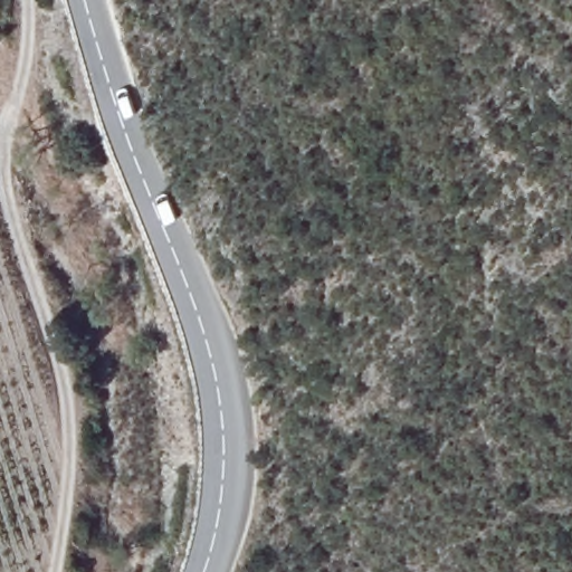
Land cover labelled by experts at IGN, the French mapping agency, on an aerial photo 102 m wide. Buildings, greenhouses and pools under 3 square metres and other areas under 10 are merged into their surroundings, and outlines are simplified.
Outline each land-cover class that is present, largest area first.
<instances>
[{"label":"brushwood","instance_id":"1","mask_svg":"<svg viewBox=\"0 0 572 572\"><path fill-rule=\"evenodd\" d=\"M116 11L121 13L125 49L139 74L132 87L141 94V107L134 114L141 116L145 145H154L168 172L165 194L172 192L181 208V217L190 219L197 237V248L210 264L212 277L221 288H228V293L239 302L237 315H241L248 324L246 333L237 340V346L246 351V355L241 358V364L248 369L250 375L246 380V387L248 393H252L255 407L268 402V411L261 416V422L273 429V436L266 442H261L257 451L248 454V463L255 465L261 474L259 492L264 512L261 521L255 527H250L246 543V561L241 568H237V572H572V0H114ZM471 103L480 107V118L489 130L487 136L474 139V123L467 116V105ZM489 143H494L498 150L516 154L512 163L498 165L507 172V177L503 179H496L494 174H487L483 170L480 147ZM527 206H534L545 215L536 219L534 235L530 241L532 252L530 257H525V264L538 261L541 252L559 248L561 241L568 244V259L559 261L536 284H512V275L505 268L498 270L494 282H485V244H516V239H521L525 232L523 226H516L507 235L498 232L496 228L505 221V215L516 219L525 212ZM369 364L378 369V375L391 382V398L387 407L378 409L375 413L360 416V420L364 422L360 431L342 433L335 427V422L328 420V407L335 402H346L349 407H353L358 398L366 393L364 371ZM56 78L65 94L76 98L72 69L67 60L63 56L51 58ZM40 112L47 118V127L54 132L58 170L72 179L89 174L96 183H105L107 156L103 145L96 127L89 123L67 121L65 114L58 109L51 89L40 92ZM163 527L152 523L143 525L139 530H132L130 534H116L109 518L101 516L98 505L89 507L87 512L74 514L67 541L65 572H94L96 561L89 554L94 547L103 552L121 550L127 559L132 556V547H143L150 552L161 541Z\"/></svg>","mask_w":572,"mask_h":572},{"label":"impervious surface","instance_id":"2","mask_svg":"<svg viewBox=\"0 0 572 572\"><path fill-rule=\"evenodd\" d=\"M54 4L69 20V40L74 47V56L67 60L72 69H78L80 83L87 92L92 107L89 123L96 127L103 145L109 143L121 177L132 197V201H127L125 206L139 230L143 248L145 268L154 286L161 290L163 299H172L174 304L194 371L203 447L199 512L194 516L192 534L185 547V559L179 563V572H237V568H241L246 561V543L250 527H255L261 521L264 512L259 492L261 474L255 465L248 463V454L257 451L261 442H266L273 436V429L261 422V416L268 411V402L255 407L252 393H248L246 387V380L250 375L248 369L241 364V358L246 355V351L237 346V340L246 333L248 324L241 315H237L239 302L228 293V288H221L212 277L210 264L197 248V237L190 219L181 217V208L172 192L165 194L168 172L154 145H145L141 116L134 114L141 107V94L132 87L139 74L125 49L121 13L116 11L114 0H54Z\"/></svg>","mask_w":572,"mask_h":572},{"label":"bare soil","instance_id":"3","mask_svg":"<svg viewBox=\"0 0 572 572\"><path fill-rule=\"evenodd\" d=\"M36 58L31 67L25 107L20 112V125L16 127L11 150L13 192L18 197V206L29 215V239L34 246L36 241H42L47 250H51L58 266L69 275L74 288H87L89 279L103 275L107 266L101 259V241H105L107 226L121 239V255L130 257L134 250L143 248L139 230L125 206L127 201H132V197L121 177L109 143L103 145L107 156L105 183H96L89 174L72 179L58 170L54 132L47 127V118L40 112V92L51 89L58 109L65 114L67 121L89 123L92 107L87 92L80 83L78 69H72L76 98L65 94L56 78L51 58L63 56L67 60L74 56V47L69 40V20L54 4V0H36ZM20 47L18 31L0 40V107L9 101L13 87ZM467 116L474 123V139L487 136L489 130L480 118V107L471 103L467 105ZM483 170L487 174H494L496 179H503L507 177V172L498 165L512 163L516 154L498 150L494 143H489L480 147ZM545 215L534 206H527L525 212L516 219L505 215V221L496 228L498 232L507 235L516 226H523L525 232L521 239H516V244H485V282H494L498 270L505 268L512 275V284H536L559 261L568 259V244L561 241L559 248L541 252L538 261L525 264V257H530L532 252L530 241L534 235L536 219ZM156 308H152L139 295L134 299V308L139 324H154L168 337V349L156 355L147 371L156 382V440L163 449V503L174 501L179 467L188 465L190 476L185 512L194 516L199 512L203 447L194 371L174 304L172 299H163L161 290L154 286ZM366 393L358 398L353 407H349L346 402H335L328 407V420L335 422V427L342 433L360 431L364 422L360 420V416L375 413L378 409L387 407L391 398V382L378 375V369L369 364L364 371ZM154 498L147 485L139 483L130 487L116 483L112 485L109 518L116 534H130L132 530H139L143 525L141 503Z\"/></svg>","mask_w":572,"mask_h":572},{"label":"herbaceous vegetation","instance_id":"4","mask_svg":"<svg viewBox=\"0 0 572 572\"><path fill-rule=\"evenodd\" d=\"M18 0H0V40L18 31ZM121 239L107 226L105 241H101V259L107 266L103 275L109 286L105 299L114 302L116 297H121V311L130 313L134 308V299L139 295L152 308H156L154 286L145 268L143 248L134 250L130 257L121 255ZM38 268L45 275V290L49 295V308L54 315L60 313V308L65 306L76 304L74 288L69 275L58 266L51 250H47L42 241H36L34 246ZM103 351H112L118 358L116 375L107 384V402L96 400L101 433L94 440L105 445V456L98 458V467H89L78 456L74 514L87 512L89 507L98 505L101 516L109 518L112 485L116 483L130 487L139 483L147 485L154 498L141 503L143 525L152 523L163 527L161 541L150 552L143 547H132V556L127 559L121 550L103 552L94 547L89 554L96 561L94 572H179V563L185 559V547L192 534L194 516L185 512L190 476L188 465L179 467L174 501L163 503V449L156 440V382L147 371L156 355L168 349V337L154 324H116L101 342Z\"/></svg>","mask_w":572,"mask_h":572},{"label":"vineyard","instance_id":"5","mask_svg":"<svg viewBox=\"0 0 572 572\"><path fill-rule=\"evenodd\" d=\"M51 337L47 324L38 322L0 208V572H47L51 554L49 525L56 521L54 494L60 487L63 460V418L54 375V364L60 362L56 351L49 353L45 346V340Z\"/></svg>","mask_w":572,"mask_h":572},{"label":"pervious surface","instance_id":"6","mask_svg":"<svg viewBox=\"0 0 572 572\"><path fill-rule=\"evenodd\" d=\"M18 31L20 47L13 87L9 101L0 107V208L38 322L47 324L54 320V315L49 308V295L45 290V275L38 268L34 246L29 239V215L18 206V197L13 192L11 150L16 127L20 125V112L25 107L31 67L36 58V0H18ZM54 375L63 418V460L60 487L54 494L56 521L49 525L51 554L47 572H65L67 541L74 514L78 456L83 422L76 418L74 375L65 362H60L54 364Z\"/></svg>","mask_w":572,"mask_h":572},{"label":"deciduous trees","instance_id":"7","mask_svg":"<svg viewBox=\"0 0 572 572\"><path fill-rule=\"evenodd\" d=\"M109 286L103 275L89 279L87 288H74L76 304L65 306L60 308V313L54 315V320L47 324L51 337L45 340V346L49 353L56 351L60 362H65L74 375L76 418L83 422L78 456L89 467H98V458L105 456V445L94 440L101 433L96 400L107 402V384L116 375L118 358L112 351H103L101 342L116 324H139L134 308L130 313L121 311V297H116L114 302L105 299Z\"/></svg>","mask_w":572,"mask_h":572}]
</instances>
